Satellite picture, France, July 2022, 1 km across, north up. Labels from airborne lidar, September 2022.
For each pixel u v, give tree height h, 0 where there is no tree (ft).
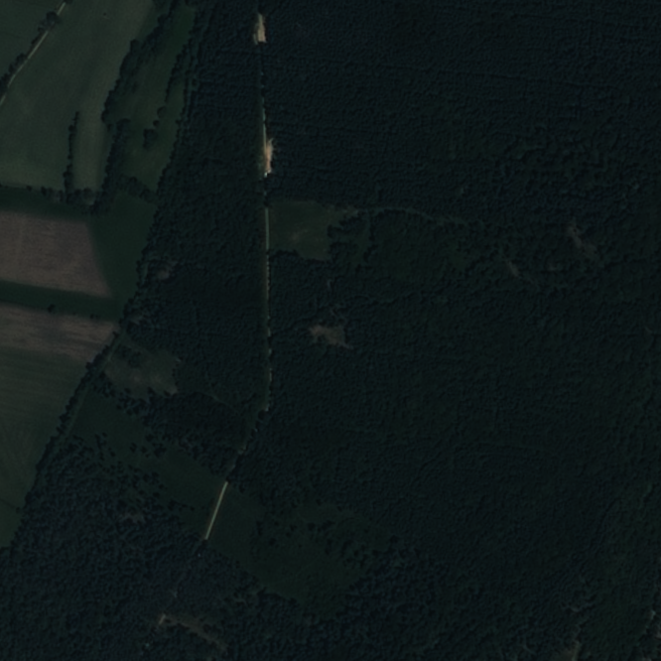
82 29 0
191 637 89
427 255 51
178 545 78
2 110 0
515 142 51
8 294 0
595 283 59
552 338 74
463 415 42
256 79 72
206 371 57
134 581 68
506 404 59
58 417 0
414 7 51
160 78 0
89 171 0
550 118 49
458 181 47
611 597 54
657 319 68
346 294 55
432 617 64
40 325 0
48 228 0
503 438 40
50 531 73
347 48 69
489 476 49
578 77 75
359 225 62
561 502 50
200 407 56
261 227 30
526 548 51
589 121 80
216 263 64
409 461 63
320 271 66
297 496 76
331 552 54
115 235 0
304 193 67
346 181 62
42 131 0
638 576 66
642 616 47
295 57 62
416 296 64
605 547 76
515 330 36
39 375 0
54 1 0
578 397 41
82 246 0
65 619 60
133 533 87
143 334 59
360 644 68
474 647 78
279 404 54
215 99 69
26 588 78
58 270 0
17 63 44
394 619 113
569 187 72
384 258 53
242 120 58
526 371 50
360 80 65
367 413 29
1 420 0
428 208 58
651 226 51
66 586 79
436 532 42
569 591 75
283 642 71
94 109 0
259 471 58
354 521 23
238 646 69
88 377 34
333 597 27
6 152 0
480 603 93
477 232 55
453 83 66
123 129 68
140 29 0
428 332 51
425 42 65
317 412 62
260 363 61
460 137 50
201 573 87
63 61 0
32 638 62
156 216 35
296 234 0
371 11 73
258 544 24
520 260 43
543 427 47
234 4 71
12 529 0
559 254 78
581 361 31
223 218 47
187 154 29
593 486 48
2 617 69
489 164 58
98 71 0
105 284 0
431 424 57
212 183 59
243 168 65
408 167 58
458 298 70
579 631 65
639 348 71
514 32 59
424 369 43
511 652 97
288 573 21
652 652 94
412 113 64
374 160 57
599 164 19
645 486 48
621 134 82
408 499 39
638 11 58
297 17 72
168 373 0
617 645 44
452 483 65
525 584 73
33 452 0
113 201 61
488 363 36
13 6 0
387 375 49
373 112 70
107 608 52
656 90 83
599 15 73
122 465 31
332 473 45
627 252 64
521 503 80
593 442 71
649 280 67
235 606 78
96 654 70
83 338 0
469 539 66
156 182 0
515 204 91
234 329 57
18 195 0
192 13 0
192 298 43
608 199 103
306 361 59
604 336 46
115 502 87
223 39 66
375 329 61
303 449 76
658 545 80
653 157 63
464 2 65
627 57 94
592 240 62
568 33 79
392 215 58
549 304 60
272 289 26
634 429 35
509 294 72
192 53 48
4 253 0
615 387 43
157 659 86
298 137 62
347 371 49
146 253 46
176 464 0
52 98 0
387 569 53
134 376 0
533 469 45
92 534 72
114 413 0
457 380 49
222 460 68
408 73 74
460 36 63
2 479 0
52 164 0
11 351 0
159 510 93
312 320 57
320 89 61
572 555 78
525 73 74
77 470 75
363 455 43
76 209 61
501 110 79
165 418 84
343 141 66
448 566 62
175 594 80
